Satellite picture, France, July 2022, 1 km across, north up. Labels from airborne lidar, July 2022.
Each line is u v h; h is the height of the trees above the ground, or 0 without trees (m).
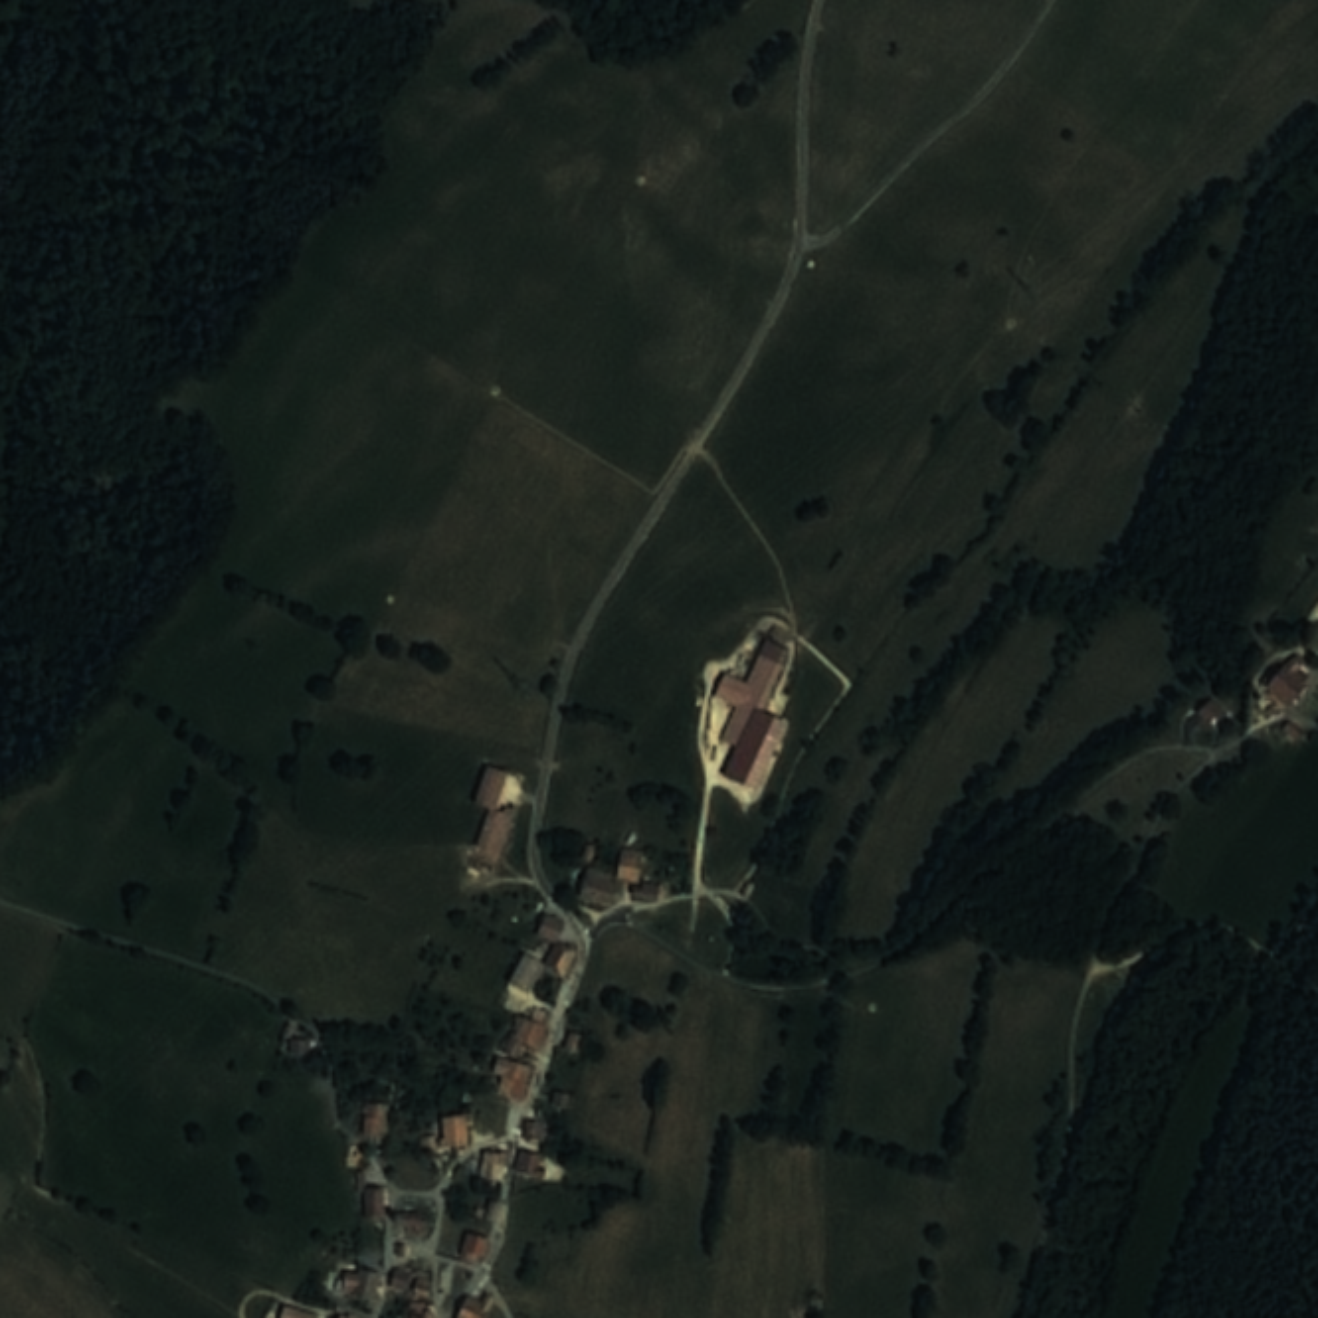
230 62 25
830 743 0
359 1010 0
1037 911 22
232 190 9
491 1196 7
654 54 18
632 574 0
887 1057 0
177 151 27
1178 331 0
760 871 17
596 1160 6
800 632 0
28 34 26
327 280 0
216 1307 0
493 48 0
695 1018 0
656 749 0
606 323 0
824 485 0
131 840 0
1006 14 0
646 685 0
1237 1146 23
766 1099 12
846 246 0
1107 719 0
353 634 21
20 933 0
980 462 0
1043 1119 0
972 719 0
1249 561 20
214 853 0
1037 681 0
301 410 0
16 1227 0
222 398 0
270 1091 9
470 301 0
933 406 0
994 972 11
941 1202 0
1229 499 19
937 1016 0
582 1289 0
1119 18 0
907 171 0
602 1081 0
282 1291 0
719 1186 15
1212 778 15
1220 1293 17
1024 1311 10
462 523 0
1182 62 0
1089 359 12
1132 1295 0
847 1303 0
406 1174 0
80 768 0
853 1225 0
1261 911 0
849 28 0
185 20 18
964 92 0
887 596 0
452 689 0
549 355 0
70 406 20
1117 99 0
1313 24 0
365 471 0
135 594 20
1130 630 0
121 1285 0
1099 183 0
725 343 0
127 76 29
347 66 23
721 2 21
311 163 26
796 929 0
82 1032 0
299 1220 0
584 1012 8
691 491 0
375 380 0
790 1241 0
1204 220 18
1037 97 0
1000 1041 0
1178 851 0
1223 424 23
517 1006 0
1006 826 16
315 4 9
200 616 0
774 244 0
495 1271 0
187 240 25
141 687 0
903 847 0
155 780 0
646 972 0
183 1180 0
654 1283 0
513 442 0
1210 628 24
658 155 0
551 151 0
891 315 0
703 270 0
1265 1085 26
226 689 0
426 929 0
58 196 10
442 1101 9
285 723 0
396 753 0
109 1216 13
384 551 0
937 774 0
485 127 0
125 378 11
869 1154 17
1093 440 0
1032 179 0
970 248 0
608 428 0
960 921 13
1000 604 16
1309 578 0
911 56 0
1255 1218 19
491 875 0
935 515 0
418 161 0
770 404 0
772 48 13
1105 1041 15
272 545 0
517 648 0
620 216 0
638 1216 0
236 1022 0
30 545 18
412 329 0
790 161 0
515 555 0
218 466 26
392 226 0
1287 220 16
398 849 0
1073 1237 19
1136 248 0
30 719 31
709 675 0
